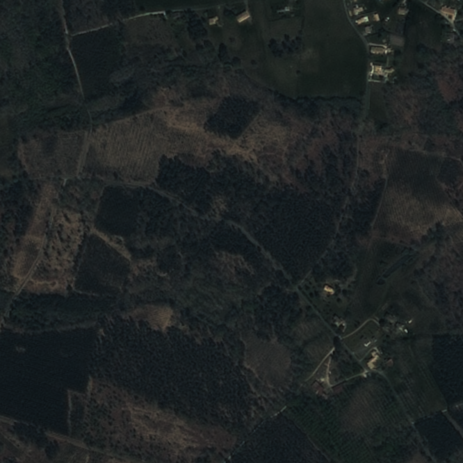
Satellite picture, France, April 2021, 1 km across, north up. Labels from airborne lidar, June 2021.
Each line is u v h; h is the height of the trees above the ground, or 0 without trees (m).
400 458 13
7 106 20
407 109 15
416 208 0
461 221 0
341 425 28
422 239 0
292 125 0
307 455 6
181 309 10
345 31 0
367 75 0
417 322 0
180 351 21
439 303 8
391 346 14
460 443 14
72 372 12
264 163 9
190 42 0
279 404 19
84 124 10
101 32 6
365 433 25
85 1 7
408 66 0
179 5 0
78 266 16
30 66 16
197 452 9
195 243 10
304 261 16
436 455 10
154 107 13
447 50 17
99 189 11
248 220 10
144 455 6
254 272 7
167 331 8
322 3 0
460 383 15
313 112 17
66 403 9
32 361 11
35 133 7
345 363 12
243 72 14
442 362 15
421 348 19
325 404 25
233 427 13
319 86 0
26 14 13
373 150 0
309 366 15
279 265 13
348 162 16
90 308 12
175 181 16
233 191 9
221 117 15
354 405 25
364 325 0
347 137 10
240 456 17
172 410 14
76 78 15
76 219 0
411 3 11
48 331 10
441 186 0
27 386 12
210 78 18
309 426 22
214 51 17
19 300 7
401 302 0
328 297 7
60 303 13
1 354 10
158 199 14
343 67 0
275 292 18
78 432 6
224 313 0
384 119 0
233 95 14
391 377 0
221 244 13
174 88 17
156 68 13
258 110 17
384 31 7
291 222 18
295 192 18
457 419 12
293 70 0
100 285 6
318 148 6
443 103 9
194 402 20
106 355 19
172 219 9
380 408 21
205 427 15
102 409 6
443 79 13
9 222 11
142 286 19
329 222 16
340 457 11
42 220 0
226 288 17
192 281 17
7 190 23
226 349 18
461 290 10
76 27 12
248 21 0
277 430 17
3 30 22
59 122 7
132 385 19
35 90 17
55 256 0
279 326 19
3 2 17
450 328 12
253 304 18
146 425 0
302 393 16
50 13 17
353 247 8
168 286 15
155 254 6
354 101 10
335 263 19
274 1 0
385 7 0
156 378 22
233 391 20
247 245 12
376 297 0
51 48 13
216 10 0
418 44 0
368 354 0
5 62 18
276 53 15
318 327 16
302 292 14
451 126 15
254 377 13
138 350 21
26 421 10
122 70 20
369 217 11
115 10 18
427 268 20
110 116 5
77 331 11
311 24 0
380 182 6
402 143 0
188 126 0
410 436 21
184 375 21
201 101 16
